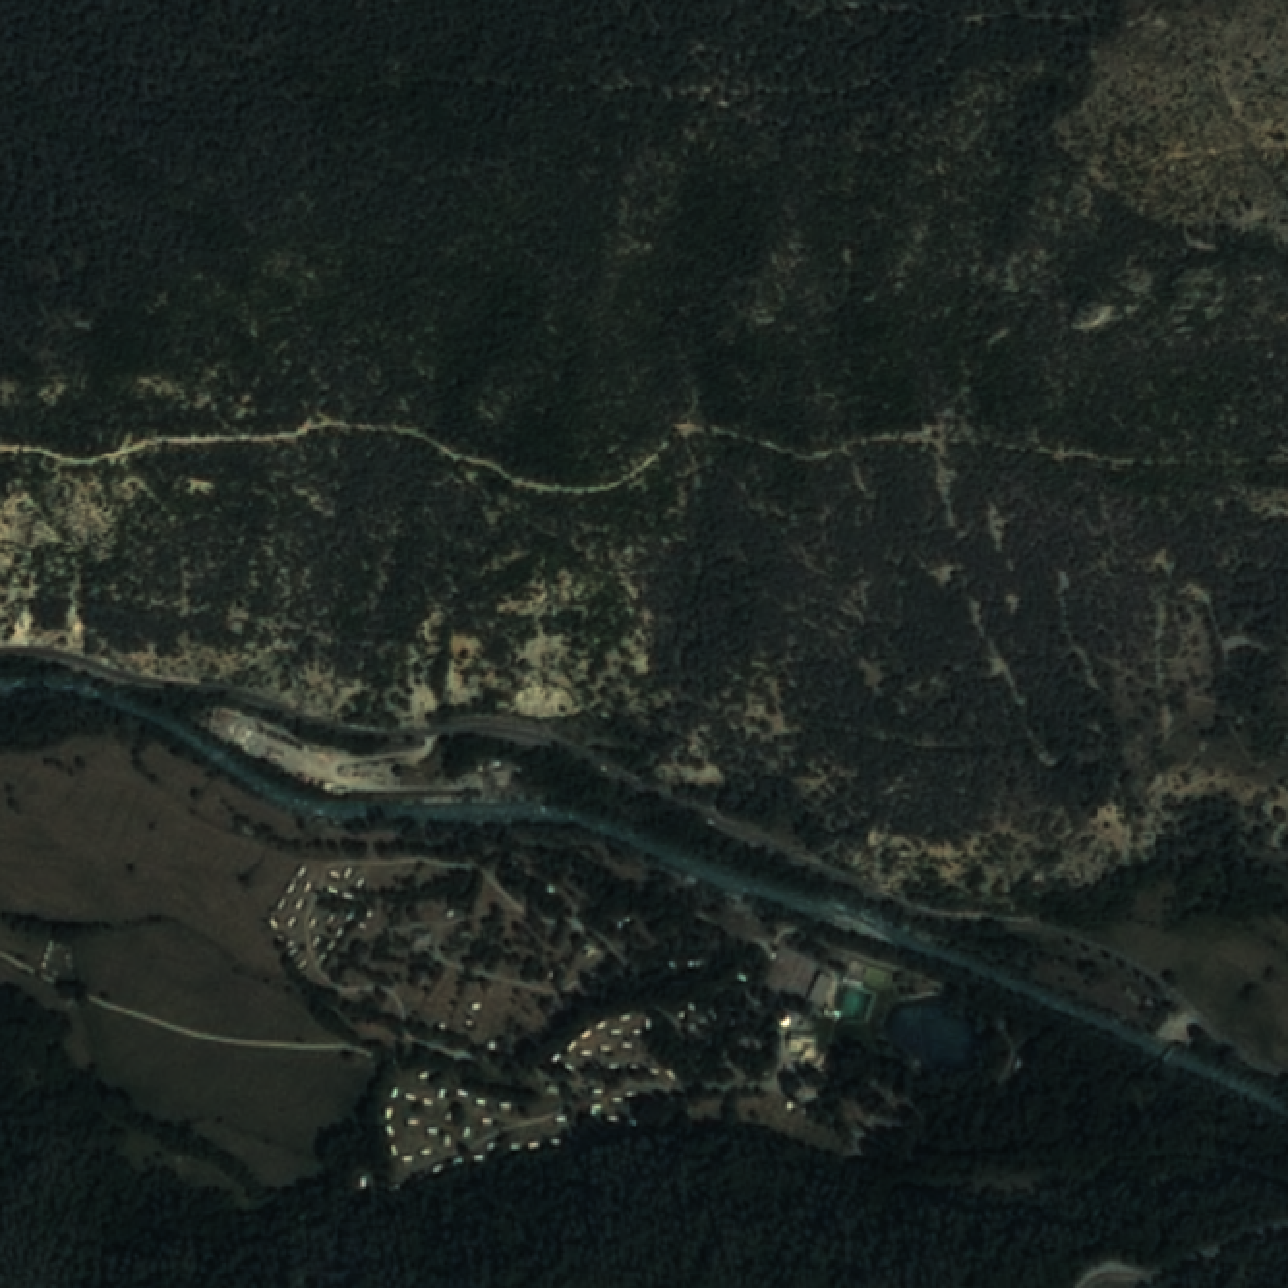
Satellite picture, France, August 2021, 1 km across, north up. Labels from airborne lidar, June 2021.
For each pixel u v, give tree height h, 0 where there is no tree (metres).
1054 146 8
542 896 9
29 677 9
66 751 0
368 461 7
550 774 7
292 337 9
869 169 7
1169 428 7
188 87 6
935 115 12
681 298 11
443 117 8
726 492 10
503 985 0
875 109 15
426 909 0
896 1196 13
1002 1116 23
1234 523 9
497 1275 10
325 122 9
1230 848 18
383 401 8
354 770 0
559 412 6
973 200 8
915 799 7
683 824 12
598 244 6
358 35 11
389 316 8
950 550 10
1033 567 9
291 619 7
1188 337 9
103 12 12
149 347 8
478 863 9
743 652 9
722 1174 26
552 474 9
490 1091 9
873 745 11
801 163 11
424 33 10
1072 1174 9
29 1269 21
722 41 7
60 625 10
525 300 9
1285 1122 15
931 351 8
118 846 0
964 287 7
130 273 8
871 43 11
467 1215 9
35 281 5
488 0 10
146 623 10
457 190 7
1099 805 9
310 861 0
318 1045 0
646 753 7
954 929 14
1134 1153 17
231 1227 13
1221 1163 7
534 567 6
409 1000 0
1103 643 10
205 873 0
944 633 10
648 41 14
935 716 9
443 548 8
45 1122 21
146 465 7
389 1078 11
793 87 9
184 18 16
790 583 9
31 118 10
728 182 8
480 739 11
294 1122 0
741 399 6
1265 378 10
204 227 8
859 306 8
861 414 8
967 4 14
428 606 8
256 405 8
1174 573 7
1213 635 8
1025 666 11
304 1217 17
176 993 0
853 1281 13
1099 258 8
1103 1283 0
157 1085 0
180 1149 7
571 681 6
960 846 9
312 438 8
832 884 14
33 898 0
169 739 9
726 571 11
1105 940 0
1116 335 7
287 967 10
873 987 0
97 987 0
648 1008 20
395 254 10
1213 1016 0
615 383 6
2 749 12
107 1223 14
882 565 10
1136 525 7
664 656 12
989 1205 9
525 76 10
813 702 9
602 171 6
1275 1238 12
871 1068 22
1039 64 14
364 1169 15
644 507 8
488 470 7
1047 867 10
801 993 0
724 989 14
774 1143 13
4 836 0
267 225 10
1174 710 5
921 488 9
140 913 0
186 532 8
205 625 10
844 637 8
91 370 7
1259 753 7
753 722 7
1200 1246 10
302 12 10
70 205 13
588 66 12
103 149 10
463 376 9
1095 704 11
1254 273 7
